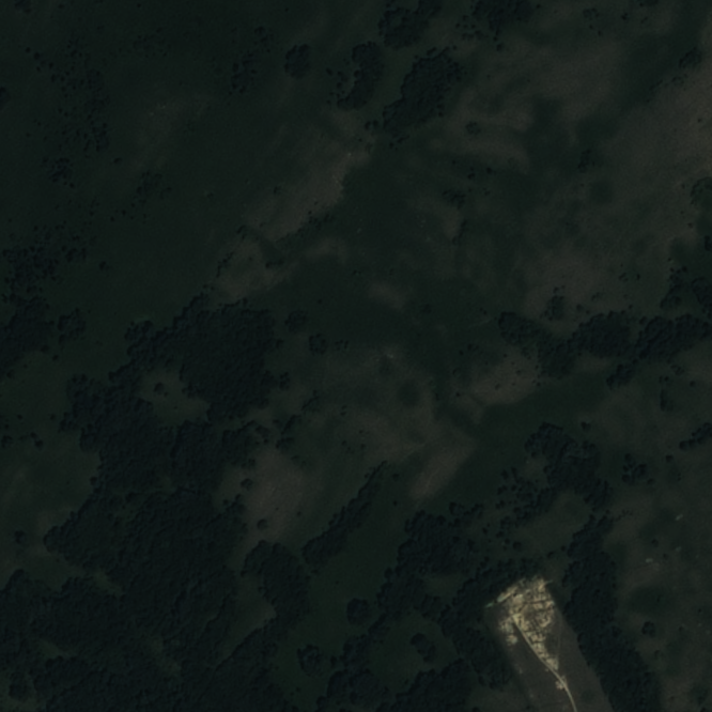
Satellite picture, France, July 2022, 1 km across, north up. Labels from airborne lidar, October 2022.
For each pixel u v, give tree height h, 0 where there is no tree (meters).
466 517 15
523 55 0
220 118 0
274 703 19
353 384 0
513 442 0
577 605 13
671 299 10
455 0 0
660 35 0
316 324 0
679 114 0
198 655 10
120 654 6
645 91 0
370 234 0
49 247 8
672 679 0
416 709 16
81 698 13
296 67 15
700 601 0
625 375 13
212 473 14
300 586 17
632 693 17
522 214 0
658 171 0
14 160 0
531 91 0
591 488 20
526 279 0
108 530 15
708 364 0
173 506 14
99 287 0
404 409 0
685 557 0
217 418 17
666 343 19
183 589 12
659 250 0
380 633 20
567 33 0
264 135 0
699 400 0
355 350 0
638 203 0
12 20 0
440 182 0
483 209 0
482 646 17
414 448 0
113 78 0
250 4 0
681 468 0
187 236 0
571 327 0
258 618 0
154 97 0
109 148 8
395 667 0
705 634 0
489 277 0
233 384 17
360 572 0
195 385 9
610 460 0
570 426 0
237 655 12
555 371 10
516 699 0
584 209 0
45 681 15
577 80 0
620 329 12
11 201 0
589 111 0
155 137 0
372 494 15
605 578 19
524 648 0
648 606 0
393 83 0
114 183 0
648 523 0
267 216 0
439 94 11
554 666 0
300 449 0
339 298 0
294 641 0
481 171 0
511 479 20
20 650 21
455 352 0
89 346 0
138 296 0
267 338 12
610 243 0
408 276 0
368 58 13
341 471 0
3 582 0
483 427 0
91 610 14
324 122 0
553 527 0
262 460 0
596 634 14
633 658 18
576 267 0
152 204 0
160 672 9
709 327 14
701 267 0
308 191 0
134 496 14
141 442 20
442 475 0
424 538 21
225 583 14
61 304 0
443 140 0
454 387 0
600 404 0
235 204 0
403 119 10
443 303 0
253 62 12
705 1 0
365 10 0
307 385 0
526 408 0
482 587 13
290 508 0
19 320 15
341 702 8
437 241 0
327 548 16
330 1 0
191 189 0
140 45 6
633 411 0
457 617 12
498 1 10
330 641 0
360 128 0
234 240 0
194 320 14
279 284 0
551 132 0
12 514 0
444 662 0
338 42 0
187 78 0
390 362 0
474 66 0
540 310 0
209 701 15
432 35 0
